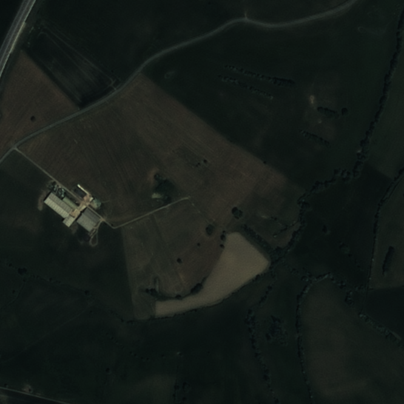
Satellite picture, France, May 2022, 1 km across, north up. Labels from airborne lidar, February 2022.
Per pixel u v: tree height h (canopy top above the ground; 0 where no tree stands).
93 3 0
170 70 0
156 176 6
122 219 0
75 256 0
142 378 0
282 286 0
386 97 14
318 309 0
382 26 0
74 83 0
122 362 0
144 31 0
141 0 0
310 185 0
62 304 0
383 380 0
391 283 0
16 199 0
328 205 0
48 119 0
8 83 0
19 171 0
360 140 0
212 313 0
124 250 0
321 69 0
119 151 0
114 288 0
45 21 0
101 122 0
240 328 0
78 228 0
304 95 0
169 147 0
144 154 0
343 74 0
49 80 0
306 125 0
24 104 0
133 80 0
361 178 0
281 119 0
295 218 0
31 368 0
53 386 0
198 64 0
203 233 0
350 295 6
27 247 0
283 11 0
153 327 0
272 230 0
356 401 0
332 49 0
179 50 0
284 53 0
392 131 0
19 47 0
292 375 0
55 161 0
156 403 0
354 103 0
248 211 0
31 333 0
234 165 0
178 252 0
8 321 0
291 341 0
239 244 0
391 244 0
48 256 0
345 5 0
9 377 0
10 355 0
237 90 0
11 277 0
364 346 0
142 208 0
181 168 0
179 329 0
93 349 0
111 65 0
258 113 0
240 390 0
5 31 0
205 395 0
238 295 0
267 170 0
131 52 0
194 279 0
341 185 0
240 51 0
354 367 0
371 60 0
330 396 0
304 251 0
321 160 0
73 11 0
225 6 0
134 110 0
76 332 0
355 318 0
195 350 0
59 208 0
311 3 0
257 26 0
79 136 0
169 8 0
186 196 0
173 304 0
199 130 0
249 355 0
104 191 0
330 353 0
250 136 0
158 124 0
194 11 0
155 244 0
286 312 0
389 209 0
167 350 0
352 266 0
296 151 0
